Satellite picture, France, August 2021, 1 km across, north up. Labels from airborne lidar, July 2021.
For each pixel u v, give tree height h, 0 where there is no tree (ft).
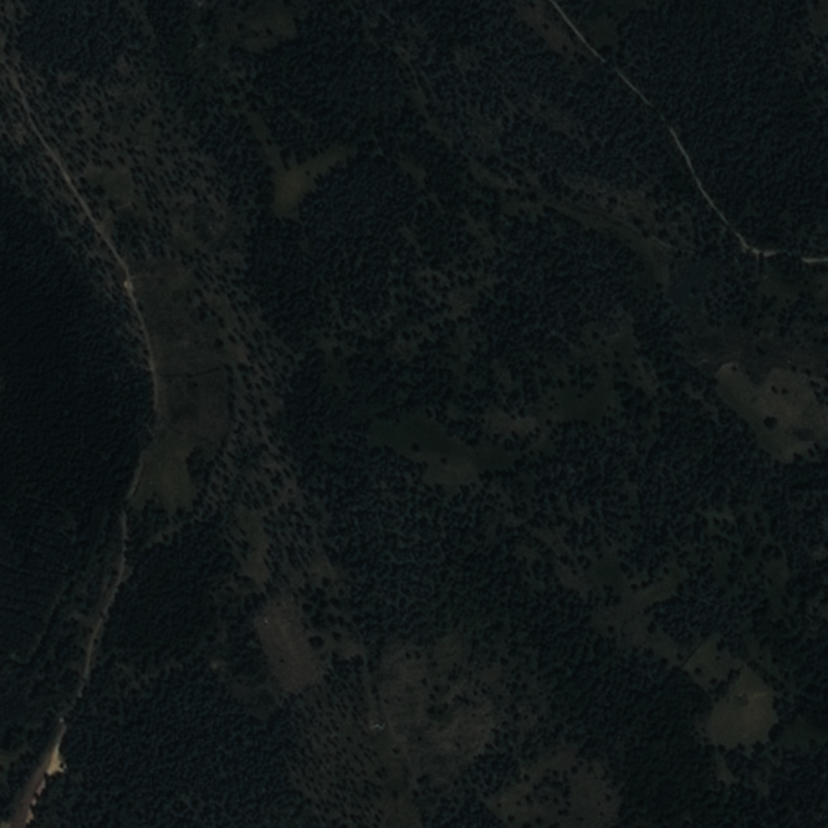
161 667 38
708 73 42
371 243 50
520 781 30
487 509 30
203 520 22
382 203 45
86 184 47
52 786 44
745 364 0
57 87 46
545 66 49
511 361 56
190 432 0
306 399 63
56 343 43
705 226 44
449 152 45
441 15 29
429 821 32
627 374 44
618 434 39
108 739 42
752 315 37
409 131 51
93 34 52
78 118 38
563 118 0
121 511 31
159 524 28
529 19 0
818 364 0
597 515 39
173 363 0
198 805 41
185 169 46
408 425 0
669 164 29
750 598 35
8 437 41
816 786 43
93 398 45
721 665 0
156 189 47
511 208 0
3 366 44
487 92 42
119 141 0
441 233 45
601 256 47
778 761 20
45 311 42
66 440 35
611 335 0
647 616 21
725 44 25
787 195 49
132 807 30
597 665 43
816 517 35
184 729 41
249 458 49
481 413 59
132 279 0
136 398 49
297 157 34
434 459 0
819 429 0
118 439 41
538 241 69
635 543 35
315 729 49
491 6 22
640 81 32
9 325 44
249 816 30
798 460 56
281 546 49
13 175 54
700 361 0
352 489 24
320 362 51
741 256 54
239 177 40
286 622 0
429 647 24
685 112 68
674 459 38
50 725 52
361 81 70
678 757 40
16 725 24
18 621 47
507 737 36
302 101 48
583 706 33
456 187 34
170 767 34
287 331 59
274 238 49
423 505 44
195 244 0
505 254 33
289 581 39
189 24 53
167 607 38
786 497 34
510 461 0
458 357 21
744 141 51
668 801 51
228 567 35
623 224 0
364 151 37
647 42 37
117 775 51
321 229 43
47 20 44
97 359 47
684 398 50
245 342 36
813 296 21
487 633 19
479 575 34
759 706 0
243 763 40
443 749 0
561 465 48
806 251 41
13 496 37
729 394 0
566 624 52
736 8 47
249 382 23
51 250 54
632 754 24
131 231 42
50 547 50
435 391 34
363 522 50
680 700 42
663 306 21
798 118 43
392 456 53
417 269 40
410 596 45
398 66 44
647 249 0
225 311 0
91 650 0
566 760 0
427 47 40
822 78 33
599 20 0
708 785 36
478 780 34
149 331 0
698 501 62
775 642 21
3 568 52
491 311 46
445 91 54
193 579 35
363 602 25
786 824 61
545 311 50
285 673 0
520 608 47
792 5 33
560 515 26
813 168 47
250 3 20
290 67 45
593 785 0
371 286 38
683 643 47
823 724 50
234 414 55
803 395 0
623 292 53
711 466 67
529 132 43
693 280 0
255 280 51
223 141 48
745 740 0
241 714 32
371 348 43
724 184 54
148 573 47
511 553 49
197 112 31
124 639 40
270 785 37
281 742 22
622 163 50
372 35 31
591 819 0
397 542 36
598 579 0
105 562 39
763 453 37
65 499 48
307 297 34
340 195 52
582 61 45
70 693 37
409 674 0
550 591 20
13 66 33
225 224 0
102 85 49
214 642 45
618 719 37
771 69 56
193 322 0
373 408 29
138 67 44
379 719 0
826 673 56
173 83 37
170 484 0
